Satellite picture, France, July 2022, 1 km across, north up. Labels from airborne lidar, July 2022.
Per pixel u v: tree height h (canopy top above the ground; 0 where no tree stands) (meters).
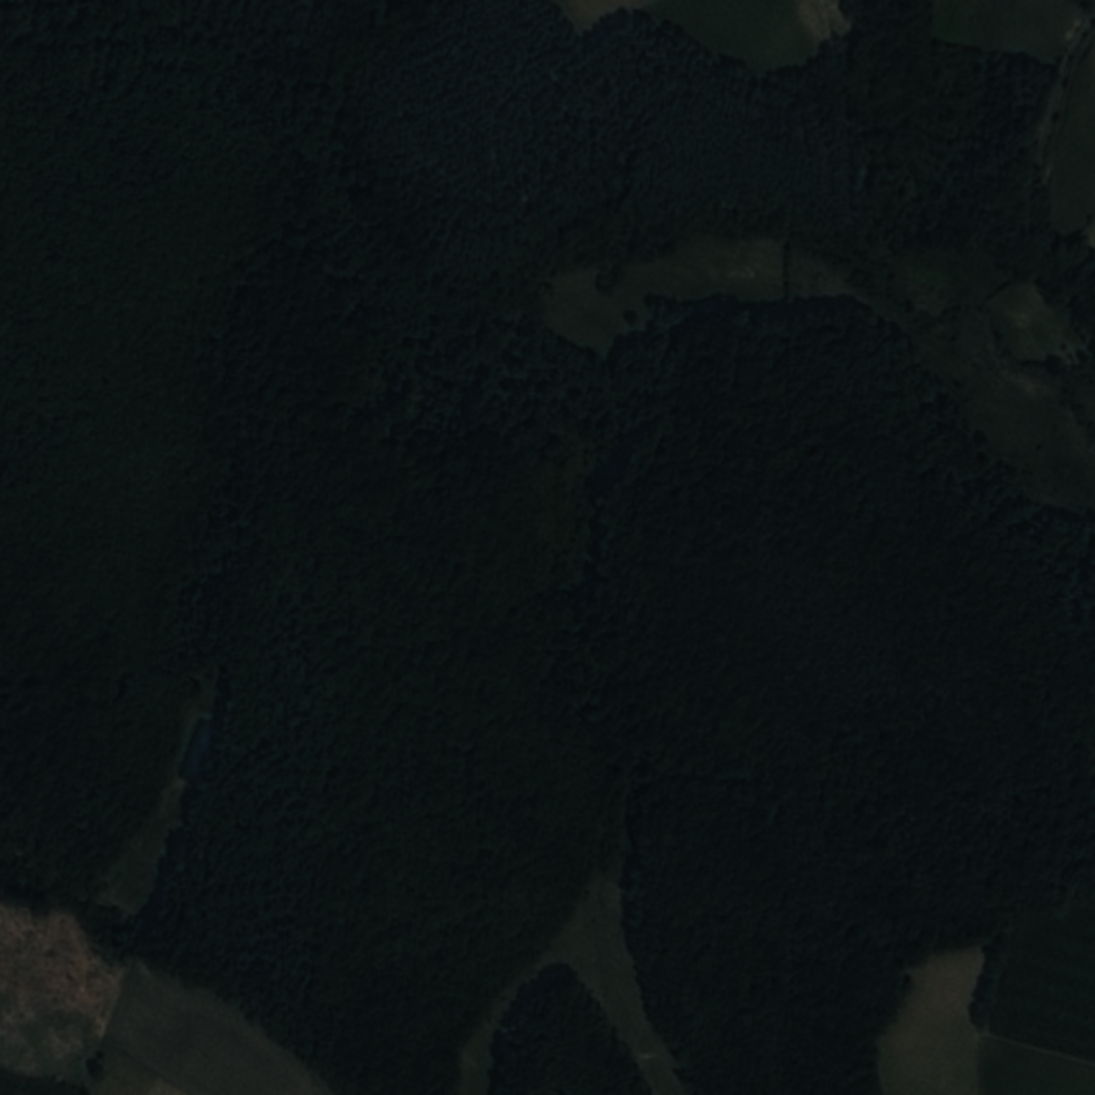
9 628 21
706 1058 24
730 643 18
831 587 19
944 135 9
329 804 19
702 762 23
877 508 16
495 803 19
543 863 21
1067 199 0
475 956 18
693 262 0
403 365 16
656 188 19
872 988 24
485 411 25
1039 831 22
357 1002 17
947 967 0
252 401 27
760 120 20
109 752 24
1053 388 0
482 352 27
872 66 21
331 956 20
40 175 26
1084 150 0
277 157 22
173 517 24
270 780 20
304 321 26
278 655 22
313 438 20
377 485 23
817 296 0
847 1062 23
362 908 22
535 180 21
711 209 29
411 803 21
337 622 18
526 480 22
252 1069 0
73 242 24
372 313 31
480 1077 0
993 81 14
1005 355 6
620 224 17
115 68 22
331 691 16
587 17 0
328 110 18
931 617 16
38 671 23
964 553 24
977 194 17
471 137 17
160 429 26
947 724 20
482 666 21
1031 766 17
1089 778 16
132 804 21
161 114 24
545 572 19
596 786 17
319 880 20
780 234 14
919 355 13
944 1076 0
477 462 24
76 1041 0
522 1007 17
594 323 0
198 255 25
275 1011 22
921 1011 0
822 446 22
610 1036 21
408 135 19
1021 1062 0
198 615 16
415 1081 24
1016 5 0
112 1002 0
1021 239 23
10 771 23
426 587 19
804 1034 23
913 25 27
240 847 23
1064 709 21
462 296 21
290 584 19
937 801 18
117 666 22
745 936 23
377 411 27
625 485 24
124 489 18
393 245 16
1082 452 0
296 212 19
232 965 20
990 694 18
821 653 19
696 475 20
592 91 20
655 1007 26
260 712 21
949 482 30
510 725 20
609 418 24
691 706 18
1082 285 28
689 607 18
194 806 21
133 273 23
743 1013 23
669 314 21
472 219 17
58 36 21
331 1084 15
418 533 21
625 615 21
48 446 22
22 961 0
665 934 22
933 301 0
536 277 16
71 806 22
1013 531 30
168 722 20
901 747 19
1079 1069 0
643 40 24
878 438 20
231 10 25
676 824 19
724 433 23
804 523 17
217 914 23
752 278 0
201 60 18
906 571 18
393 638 18
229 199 22
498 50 22
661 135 19
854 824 22
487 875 18
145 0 16
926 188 6
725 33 0
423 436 21
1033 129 19
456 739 19
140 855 0
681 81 21
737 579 19
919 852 21
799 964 24
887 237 16
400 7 31
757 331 26
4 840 21
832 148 24
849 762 20
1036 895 23
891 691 19
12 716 25
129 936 19
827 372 22
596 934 0
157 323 26
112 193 25
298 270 24
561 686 24
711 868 20
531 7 23
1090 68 0
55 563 25
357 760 21
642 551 18
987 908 20
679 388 23
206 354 25
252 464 28
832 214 25
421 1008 22
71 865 24
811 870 21
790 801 20
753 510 21
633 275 0
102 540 23
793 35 0
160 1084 0
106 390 21
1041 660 21
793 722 19
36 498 21
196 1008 0
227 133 22
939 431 27
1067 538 28
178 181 24
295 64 25
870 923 24
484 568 20
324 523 20
